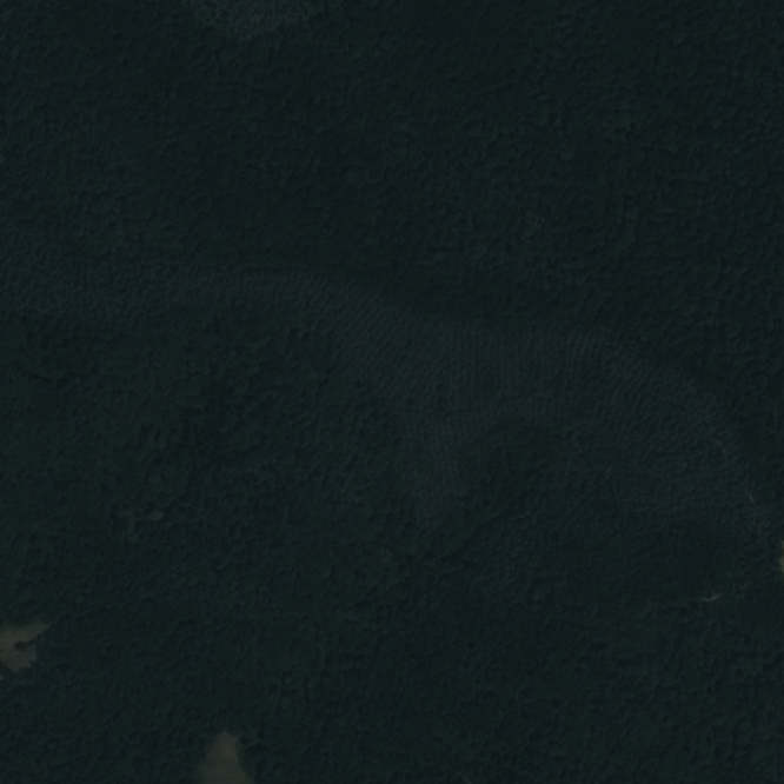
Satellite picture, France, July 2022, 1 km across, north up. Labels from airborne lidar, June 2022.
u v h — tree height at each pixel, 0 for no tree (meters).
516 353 19
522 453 27
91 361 13
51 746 24
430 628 33
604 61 27
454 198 23
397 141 25
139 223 20
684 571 23
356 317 19
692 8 25
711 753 22
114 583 29
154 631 24
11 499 27
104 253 10
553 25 25
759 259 23
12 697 28
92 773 27
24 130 22
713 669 22
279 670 26
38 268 28
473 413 17
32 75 23
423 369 17
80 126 22
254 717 22
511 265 25
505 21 26
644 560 26
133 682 27
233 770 0
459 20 27
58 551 17
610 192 26
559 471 22
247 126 25
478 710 22
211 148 28
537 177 16
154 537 32
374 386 16
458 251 23
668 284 22
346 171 29
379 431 24
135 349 21
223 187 28
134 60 25
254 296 17
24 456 22
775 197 24
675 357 23
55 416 24
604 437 18
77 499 26
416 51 19
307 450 25
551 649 20
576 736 23
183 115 23
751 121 28
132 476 29
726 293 26
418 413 18
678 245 33
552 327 20
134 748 20
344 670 9
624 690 24
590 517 28
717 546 23
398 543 30
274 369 30
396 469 21
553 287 20
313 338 25
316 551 22
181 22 22
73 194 23
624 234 29
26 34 21
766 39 15
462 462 21
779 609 7
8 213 27
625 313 20
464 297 21
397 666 24
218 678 26
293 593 26
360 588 25
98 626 26
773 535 18
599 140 26
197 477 27
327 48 19
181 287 19
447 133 21
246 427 32
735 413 7
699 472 20
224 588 26
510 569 15
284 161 24
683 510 20
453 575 25
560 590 14
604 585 21
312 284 18
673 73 22
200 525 28
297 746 29
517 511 22
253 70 25
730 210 23
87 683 29
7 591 23
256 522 23
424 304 20
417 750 19
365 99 25
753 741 27
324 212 21
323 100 29
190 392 27
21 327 12
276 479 29
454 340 17
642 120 28
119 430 24
